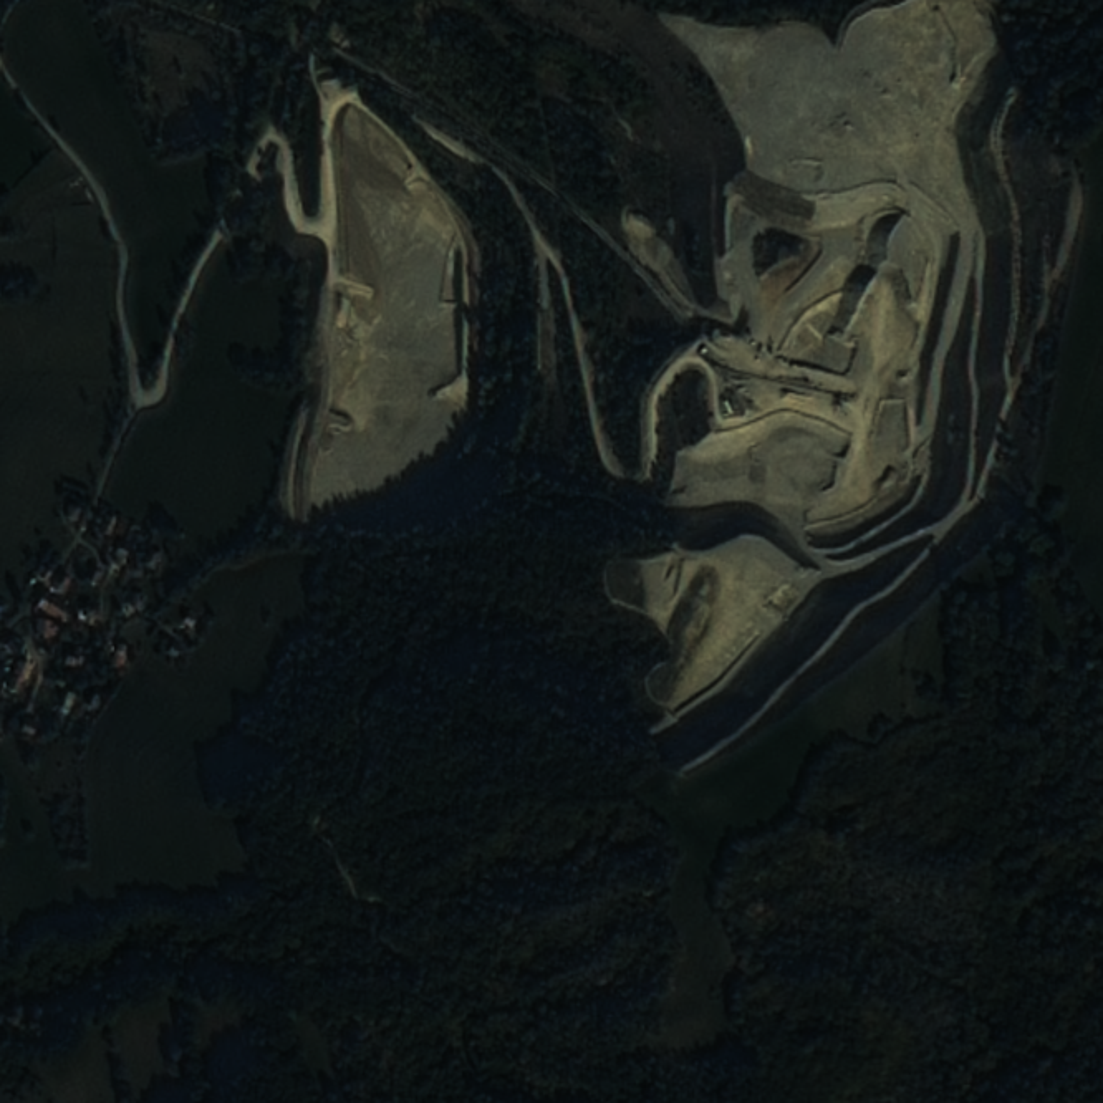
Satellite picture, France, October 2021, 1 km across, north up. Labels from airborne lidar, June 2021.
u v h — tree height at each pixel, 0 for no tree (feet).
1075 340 0
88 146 0
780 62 0
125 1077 43
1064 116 85
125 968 62
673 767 0
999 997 110
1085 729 92
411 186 0
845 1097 41
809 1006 69
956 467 0
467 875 65
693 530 0
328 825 62
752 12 73
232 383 0
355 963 66
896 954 56
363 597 45
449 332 0
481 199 38
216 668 0
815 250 0
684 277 0
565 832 61
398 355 0
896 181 0
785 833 45
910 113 0
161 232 0
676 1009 0
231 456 0
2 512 0
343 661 63
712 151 0
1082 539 0
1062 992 99
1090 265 0
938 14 0
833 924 61
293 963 80
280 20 38
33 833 20
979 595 27
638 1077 68
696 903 0
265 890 46
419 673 58
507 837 26
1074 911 100
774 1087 69
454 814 31
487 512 37
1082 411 0
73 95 0
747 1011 70
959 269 0
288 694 37
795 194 0
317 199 0
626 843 55
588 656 38
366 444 0
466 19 19
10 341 0
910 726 28
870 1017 74
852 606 0
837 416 0
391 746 47
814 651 0
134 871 0
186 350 30
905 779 30
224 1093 67
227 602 0
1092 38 94
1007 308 0
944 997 56
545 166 24
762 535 0
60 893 0
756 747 0
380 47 57
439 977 51
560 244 22
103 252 0
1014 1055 112
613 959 26
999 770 102
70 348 0
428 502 20
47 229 0
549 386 23
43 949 68
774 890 47
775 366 0
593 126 27
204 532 0
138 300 0
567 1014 43
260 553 30
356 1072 29
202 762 0
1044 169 0
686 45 0
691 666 0
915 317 27
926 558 0
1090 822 107
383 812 61
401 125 46
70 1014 63
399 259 0
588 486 21
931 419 0
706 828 0
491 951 42
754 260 0
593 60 43
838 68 0
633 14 0
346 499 0
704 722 0
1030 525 72
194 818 0
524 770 41
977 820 97
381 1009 69
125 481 0
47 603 0
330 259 0
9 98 0
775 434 0
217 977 45
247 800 72
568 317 25
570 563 47
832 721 0
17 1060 62
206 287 0
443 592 49
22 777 0
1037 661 71
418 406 0
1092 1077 108
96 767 0
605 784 43
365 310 0
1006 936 119
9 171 0
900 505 0
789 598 0
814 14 65
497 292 39
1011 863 115
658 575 0
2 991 53
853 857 35
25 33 0
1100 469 0
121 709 0
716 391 0
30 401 0
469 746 33
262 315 0
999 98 0
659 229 0
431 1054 65
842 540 0
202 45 0
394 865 51
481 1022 48
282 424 0
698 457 0
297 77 32
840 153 0
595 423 27
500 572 51
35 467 0
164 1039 0
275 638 0
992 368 0
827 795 63
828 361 0
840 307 0
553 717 28
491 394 36
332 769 64
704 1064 53
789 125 0
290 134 54
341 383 0
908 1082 31
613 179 28
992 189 0
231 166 39
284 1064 73
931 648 0
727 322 0
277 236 0
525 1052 51
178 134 0
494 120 50
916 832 56
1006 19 86
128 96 26
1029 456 0
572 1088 55
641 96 34
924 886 32
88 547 29
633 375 24
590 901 25
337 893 68
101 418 0
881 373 0
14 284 45
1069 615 69
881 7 0
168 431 0
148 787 0
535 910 32
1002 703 81
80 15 0
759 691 0
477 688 51
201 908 39
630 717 47
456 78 52
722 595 0
